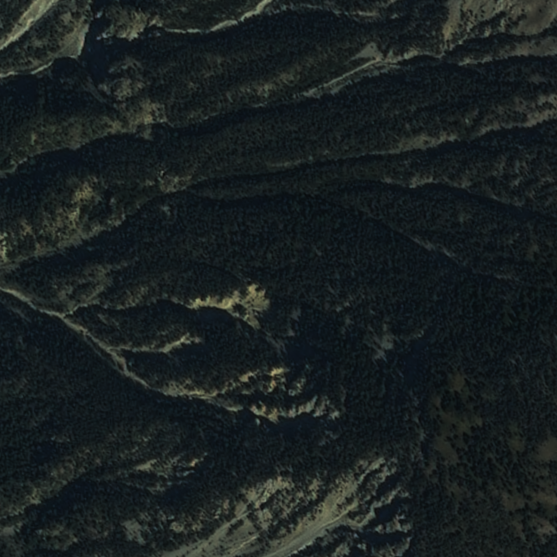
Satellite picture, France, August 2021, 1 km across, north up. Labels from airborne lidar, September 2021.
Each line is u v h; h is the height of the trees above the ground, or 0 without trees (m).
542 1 0
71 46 0
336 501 0
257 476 9
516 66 11
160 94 12
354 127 7
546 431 13
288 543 0
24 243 12
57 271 10
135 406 9
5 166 10
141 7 12
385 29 13
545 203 6
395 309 9
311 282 13
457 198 6
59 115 11
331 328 9
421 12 10
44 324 11
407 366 9
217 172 7
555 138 7
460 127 9
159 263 16
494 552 10
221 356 13
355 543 10
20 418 12
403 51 7
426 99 13
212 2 6
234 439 13
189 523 8
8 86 10
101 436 9
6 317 9
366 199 11
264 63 11
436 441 7
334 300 10
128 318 10
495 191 13
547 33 8
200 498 8
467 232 6
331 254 16
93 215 9
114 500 13
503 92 9
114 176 12
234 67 8
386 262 9
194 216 9
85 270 10
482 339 15
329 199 6
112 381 10
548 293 10
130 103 12
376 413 14
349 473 6
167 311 10
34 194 8
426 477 15
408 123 7
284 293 13
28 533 14
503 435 11
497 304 14
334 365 10
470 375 18
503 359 16
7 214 11
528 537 11
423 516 14
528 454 13
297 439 8
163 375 7
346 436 11
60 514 10
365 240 14
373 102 13
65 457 8
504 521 9
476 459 17
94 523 13
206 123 9
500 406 11
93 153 10
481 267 11
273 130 10
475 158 14
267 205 18
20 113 10
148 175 16
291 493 9
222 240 13
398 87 9
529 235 11
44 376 11
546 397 6
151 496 9
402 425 12
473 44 7
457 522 13
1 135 10
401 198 13
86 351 12
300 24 13
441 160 11
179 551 0
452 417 0
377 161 12
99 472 7
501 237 9
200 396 0
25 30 0
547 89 6
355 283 15
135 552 8
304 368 8
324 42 10
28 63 8
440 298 9
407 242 9
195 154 10
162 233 15
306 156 8
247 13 0
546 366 12
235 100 9
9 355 14
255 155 12
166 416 12
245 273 8
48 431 9
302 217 18
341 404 13
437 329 11
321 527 0
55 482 9
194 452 11
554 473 9
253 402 7
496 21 7
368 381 10
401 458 9
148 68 6
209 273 11
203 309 0
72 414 12
